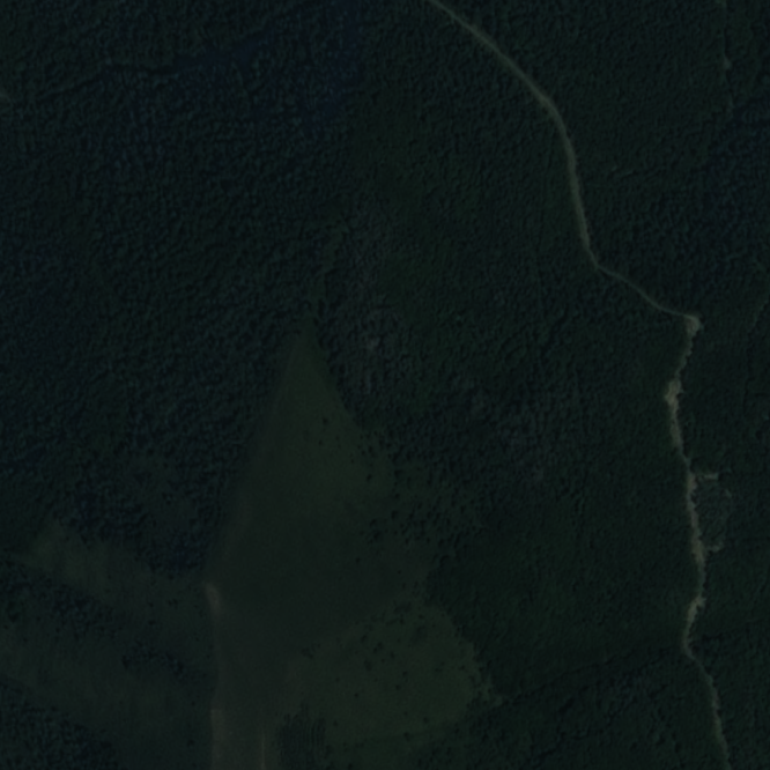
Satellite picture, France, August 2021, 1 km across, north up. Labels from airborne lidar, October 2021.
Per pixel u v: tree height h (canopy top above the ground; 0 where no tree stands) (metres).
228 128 21
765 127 25
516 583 21
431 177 18
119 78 22
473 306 15
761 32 18
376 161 20
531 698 14
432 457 15
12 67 25
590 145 18
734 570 17
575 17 22
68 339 15
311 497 0
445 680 0
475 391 15
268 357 10
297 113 13
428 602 7
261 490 0
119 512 9
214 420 6
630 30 23
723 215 25
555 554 22
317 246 17
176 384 7
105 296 21
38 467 24
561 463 26
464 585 15
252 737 0
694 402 18
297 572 0
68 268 26
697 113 21
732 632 14
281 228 21
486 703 8
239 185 16
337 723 8
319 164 17
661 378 18
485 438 20
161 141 28
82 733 10
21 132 23
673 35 26
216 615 0
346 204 16
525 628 17
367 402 20
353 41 14
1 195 19
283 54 19
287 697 0
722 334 17
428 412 13
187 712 0
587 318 24
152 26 25
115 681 0
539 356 13
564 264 16
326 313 21
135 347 9
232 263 14
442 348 23
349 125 14
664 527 19
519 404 12
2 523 17
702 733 19
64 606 7
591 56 26
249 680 0
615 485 19
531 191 16
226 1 20
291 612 0
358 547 0
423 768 8
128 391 10
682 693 21
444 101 24
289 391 0
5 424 15
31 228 22
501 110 20
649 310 17
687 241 15
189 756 0
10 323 16
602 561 18
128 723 0
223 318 10
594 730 14
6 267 22
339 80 17
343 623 0
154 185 18
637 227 17
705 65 18
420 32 21
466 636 12
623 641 19
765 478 21
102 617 8
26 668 0
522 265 22
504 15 24
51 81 17
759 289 21
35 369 18
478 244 16
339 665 0
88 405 20
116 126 23
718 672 14
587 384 22
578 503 19
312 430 0
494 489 19
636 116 17
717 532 17
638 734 23
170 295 16
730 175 26
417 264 16
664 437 26
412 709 0
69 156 18
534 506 13
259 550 0
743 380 25
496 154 18
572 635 21
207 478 11
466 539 14
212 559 0
